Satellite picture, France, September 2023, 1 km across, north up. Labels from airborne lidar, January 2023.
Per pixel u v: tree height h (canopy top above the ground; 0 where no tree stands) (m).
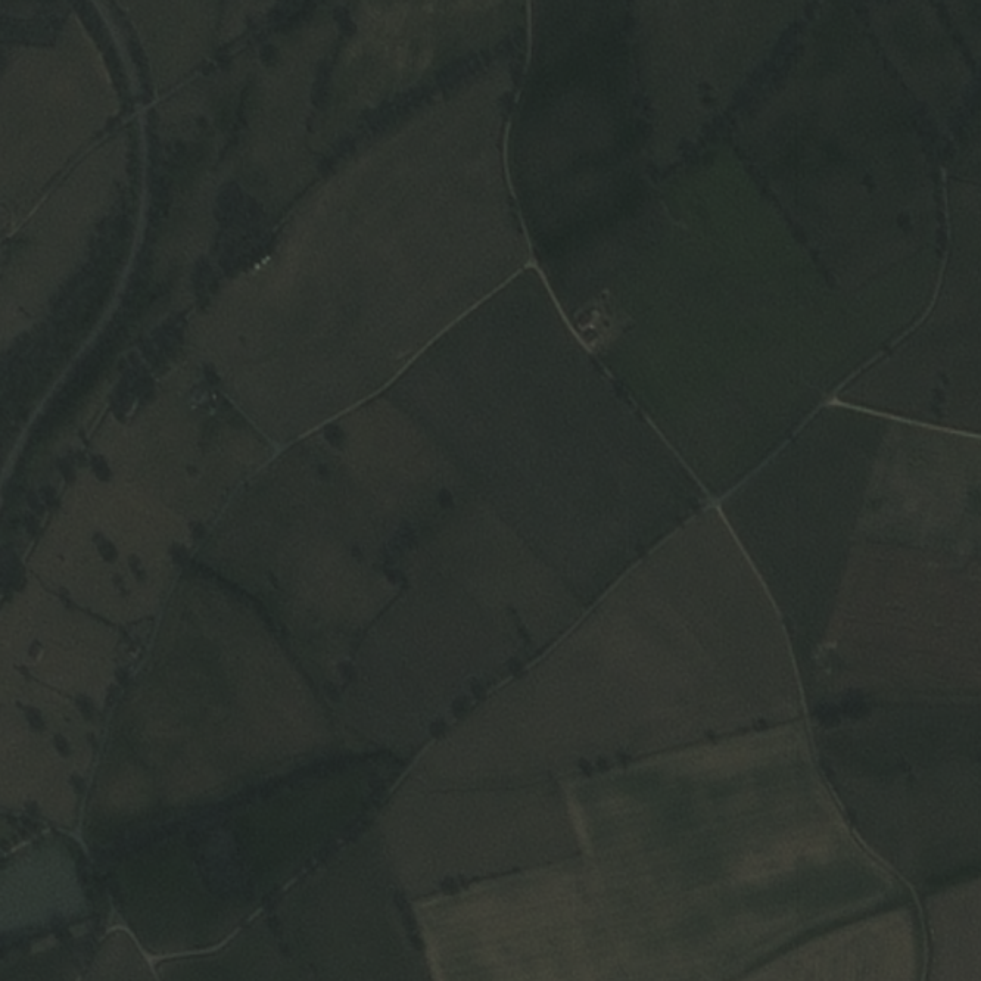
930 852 0
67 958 0
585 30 0
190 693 0
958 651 0
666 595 0
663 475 0
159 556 0
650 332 0
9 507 10
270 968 0
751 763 0
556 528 0
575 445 0
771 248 0
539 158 0
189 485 0
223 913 0
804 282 0
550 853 0
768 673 0
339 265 0
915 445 0
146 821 0
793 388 0
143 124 0
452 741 0
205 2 0
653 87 0
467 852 0
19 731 0
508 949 0
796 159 0
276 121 0
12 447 0
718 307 0
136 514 0
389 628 0
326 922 0
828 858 0
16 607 0
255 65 0
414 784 0
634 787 0
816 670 0
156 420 0
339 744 0
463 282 0
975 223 0
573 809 0
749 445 0
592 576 0
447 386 0
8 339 0
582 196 0
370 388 0
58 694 0
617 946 0
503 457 0
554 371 0
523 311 0
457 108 0
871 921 0
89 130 0
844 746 0
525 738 0
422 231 0
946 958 0
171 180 9
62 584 0
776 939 0
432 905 0
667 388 0
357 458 0
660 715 0
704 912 0
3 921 0
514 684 0
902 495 0
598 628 0
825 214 0
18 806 0
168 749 0
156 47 0
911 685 0
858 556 0
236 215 20
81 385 16
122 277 0
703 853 0
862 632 0
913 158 0
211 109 0
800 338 0
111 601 0
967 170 0
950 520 0
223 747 0
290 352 0
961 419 0
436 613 0
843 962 0
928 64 0
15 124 0
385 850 0
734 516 0
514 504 0
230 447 0
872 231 0
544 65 0
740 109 14
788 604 0
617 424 0
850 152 0
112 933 0
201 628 0
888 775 0
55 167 0
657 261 0
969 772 0
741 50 0
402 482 0
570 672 0
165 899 0
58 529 0
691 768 0
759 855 0
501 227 0
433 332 0
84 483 0
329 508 0
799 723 0
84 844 0
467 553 0
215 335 0
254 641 0
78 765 0
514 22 0
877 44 14
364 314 0
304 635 0
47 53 0
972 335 0
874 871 0
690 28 0
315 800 0
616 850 0
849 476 0
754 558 0
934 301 0
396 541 14
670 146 0
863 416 0
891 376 0
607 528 0
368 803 9
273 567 0
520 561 0
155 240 17
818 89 0
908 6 0
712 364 0
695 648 0
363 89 0
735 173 0
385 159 0
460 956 0
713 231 0
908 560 0
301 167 0
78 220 0
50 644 0
